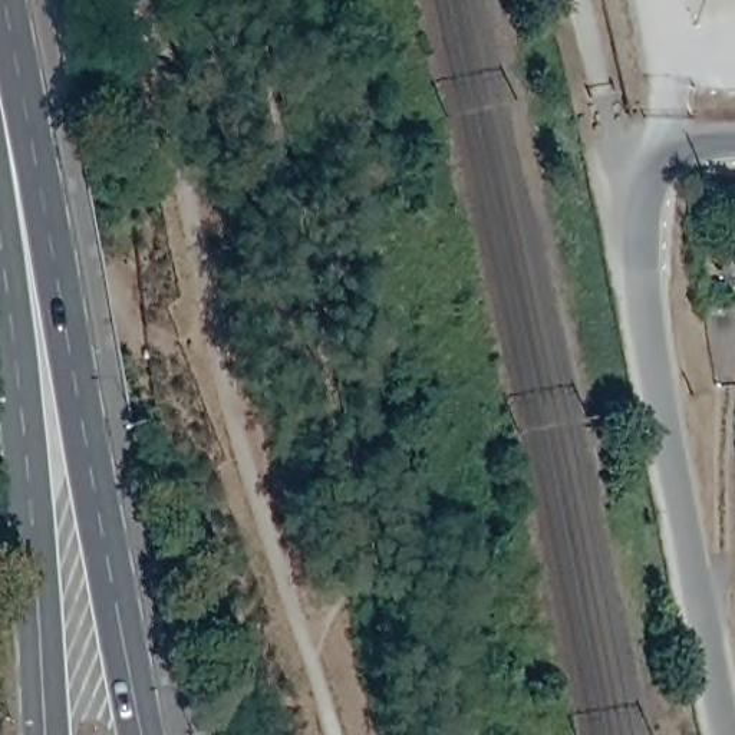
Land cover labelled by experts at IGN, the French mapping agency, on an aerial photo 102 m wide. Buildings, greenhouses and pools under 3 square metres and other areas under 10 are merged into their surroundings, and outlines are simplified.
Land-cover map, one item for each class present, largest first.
<instances>
[{"label":"deciduous trees","instance_id":"1","mask_svg":"<svg viewBox=\"0 0 735 735\"><path fill-rule=\"evenodd\" d=\"M152 26H161V32L169 40V52L184 49L189 66L187 83L178 86V92L167 100V115H155L146 121L141 118L135 83L141 75L155 72L164 60L155 43L141 40L144 32H149ZM66 40L60 43V66L72 75L100 72V89L80 100L78 106H72L66 138L75 146V158L80 161L83 181L92 192L98 210V233L109 261L132 258V250L141 247L144 238H152V227H167L164 198L175 189L178 172H184V178L198 189L210 210L218 212V218L233 212L244 227H250V233L238 235V253L244 264L233 270L224 267L215 293L224 304L238 301V319L230 342L221 347V362L227 373L238 379L241 396L258 405V413L267 425L264 448L270 462H324V479L313 482L304 494H284L287 520L278 528V543L290 557L293 583L299 586H310L316 591L345 589L350 612L347 635L353 643L356 672L368 695L365 718L379 735H580L574 680L566 657L557 652L560 623L554 614L548 623H540V617L528 614V603H537V577H548V563L543 557L537 523L543 511V497L537 485L534 457L525 445L508 448L502 457L485 459L488 482L508 485V497L494 502L491 517L474 508L471 514L442 517L439 511L428 508L431 497L422 494V488L411 479V474H416V462L425 459L428 442L434 439L436 408L428 402L422 390H416L405 402H393V390L411 385L413 379L396 376V368L402 362H416L419 347L396 350L390 339H385V327L379 324V301L370 299L368 281L373 270H379L382 258L376 253L359 256V224L365 218L382 215V204H390L393 198H405L411 212L425 210V198L434 187V164L448 161L451 149L445 146V135L457 129L454 115L445 109V89L436 63L439 43L428 26V11L422 0H63ZM267 86L276 89V103L284 121V141L267 138ZM319 347H324L327 353H345L356 359V368H350L345 376H333V385L339 388V408L333 413L324 405L327 393L319 382ZM376 434L393 439V445L370 457L365 465L350 462L347 445L353 439H370ZM517 34L540 32L546 40H557L560 17H568L571 0H500ZM525 83L534 95L551 100L554 106L566 103L571 95L566 83V69L563 63H548L540 55H528L525 60ZM580 172V167L571 164L568 152L557 149L554 164L543 167L548 201L554 195L571 192V178ZM678 192L675 215L680 221V247L689 281L686 299L695 316L703 319L712 307H735V189H721L718 184H706L695 175L672 184ZM6 310L0 307V514H11L14 477L3 436L9 399L3 350ZM603 462L600 477L606 479L603 485L612 505L617 497L635 491L649 477L652 459L663 439V425L655 419V411L640 399H637L614 413H606L603 434H597ZM138 457L144 459L138 468L144 471L146 485L141 497V520L152 531L158 557H164L167 563V577L161 580L158 594L164 600V620L175 632L169 680L175 683V695L187 692L189 706L201 709L198 729L210 735H304L301 709L281 706V698L293 692V683L278 666L276 643L264 637L270 614L256 574L247 580V589H238V583H230L224 577L227 566L244 571L250 566V557L235 517L227 514L221 477L207 454H178V442H184V434L161 428L158 413L152 411H146L144 419L132 422ZM46 566L40 551H34L29 540L20 537L17 548L0 543V649L6 646V629H23L32 623V614L40 612V574ZM646 669L652 675V683L672 703L695 701L706 686L703 649L698 643V635L683 626L680 617L672 600L669 577L657 566H649L643 574Z\"/></svg>","mask_w":735,"mask_h":735},{"label":"impervious surface","instance_id":"2","mask_svg":"<svg viewBox=\"0 0 735 735\"><path fill-rule=\"evenodd\" d=\"M66 40L63 0H0V307L6 310L3 350L9 399L3 436L14 477L11 514L17 517L20 537L29 540L34 551H40L46 566L40 574V612L32 614V623L23 629V718H32V726L23 735H210L198 729L201 709L189 706L187 692L175 695V683L169 680L175 632L164 620V600L158 594L161 580L167 577V563L164 557H158L152 531L141 520V497L146 485L144 471L138 468L144 459L138 457L132 422L123 419V408L132 405V390L123 373V356L121 345H126V333H121L112 324V307L103 278V264L109 261L98 233V210L92 192L83 181L80 161L75 158V146L66 138L72 106H78L80 100L72 95V75L60 66V43ZM568 17L577 34L586 75L591 80V92L580 95L574 112L580 118H591L597 152L612 184V230L614 238L623 244L629 313L637 345V362L646 382V393L640 399L655 411V419L663 425V439L652 459L660 462L683 591L689 603V614L680 617L683 626L698 635V643L703 649L706 686L695 701L701 735H735V701L724 657L718 612L726 603V589L735 586V571L726 566V554H703L683 439L675 431L678 405L672 390V373H680V365L672 333L669 276L672 253L680 247V221L675 215L678 192L672 184L695 175L706 184H718L721 189H735V121H686V112L649 106L646 121L614 118L620 112V95L617 89H609V46L591 0H571ZM712 382L735 388V316H718L715 324L703 330Z\"/></svg>","mask_w":735,"mask_h":735},{"label":"herbaceous vegetation","instance_id":"3","mask_svg":"<svg viewBox=\"0 0 735 735\"><path fill-rule=\"evenodd\" d=\"M609 46V89H617L620 95V112L614 118L646 121L649 106V72L632 0H591ZM528 55H540L548 63H563L566 69V83L571 95L566 103L554 106L551 100L534 95L528 112L537 123L534 149L543 167L554 164L557 149L568 152L571 164L580 167V172L571 178V192L554 195L548 201V210L540 218L548 244V264L557 290L560 322L568 342L574 382L580 390L589 393L586 413L597 434H603L606 413H614L637 399L629 382L617 299L612 287L603 227L586 164L591 152H597L591 118H580L574 112L580 95L591 92V80L586 75L577 34L568 17H560L557 40H546L540 32L517 34V57L525 60ZM141 40L155 43L164 60L155 72L141 75L135 83L141 118L146 121L155 115H167V100L178 92V86L187 83L189 66L184 49L169 52V40L161 32V26H152L149 32H144ZM100 89V72L72 75V95L80 100ZM267 138L284 141V121L276 103V89L267 86ZM686 121H735V98L724 92H701L692 95V109L686 112ZM445 146L451 149L448 161L454 192H465L457 129L445 135ZM167 227V241L181 293L158 313L155 324L141 322V342H152L161 353L178 356V362L189 365L204 408L210 413V425L215 431L212 448L207 454L221 477L227 514L235 517L250 557V566L244 571L227 566L224 577L230 583H238V589H247V580L256 574L270 614L264 637L276 643L278 666L293 683V692L281 698V706L301 709L304 735H324L316 692L307 678V666L296 643V635L290 629L276 586V574L270 568L256 525V511L244 488L233 436L224 422V416L233 411L244 416L247 442L256 457V468L264 474L261 485L270 497L273 523L278 528L287 520L284 494H304L313 482L324 479V462H270L264 448L267 425L258 413V405L241 396L238 379L227 373L221 362V347L230 342L238 319V301L224 304L215 293L224 267L233 270L244 264L238 253V235L250 233V227H244L233 212L218 218V212L210 210L198 189L184 178V172H178L175 189L164 198ZM689 281L680 247L672 253L669 276L672 333L680 365V373H672V390L678 405L675 431L683 439L703 554H726V566L735 571V388L712 382L703 330L715 324L718 316H735V307H712L703 319L695 316L686 299ZM319 382L327 393L324 405L333 413L339 408V388L333 385V376H345L350 368H356V359L345 353H327L324 347H319ZM393 445V439L376 434L370 439H353L347 445L350 462L365 465L370 457ZM600 514L629 620L640 703L649 721L657 726L655 735H701L695 701L672 703L652 683V675L646 669L643 574L649 566H657L669 577L649 477L635 491L617 497L612 505L603 485ZM17 517L11 514H0V543L17 548L20 537ZM537 603H528V614L540 617V623H548L554 614V591L548 577H537ZM299 606L313 649L319 652V663L327 680V692L342 735H379L365 718L368 695L356 672L353 643L347 635L350 612L345 589L316 591L310 586H299ZM724 657L735 701V586L726 589V603L718 612ZM23 629H6V646L0 649V735H23L32 726V718H23Z\"/></svg>","mask_w":735,"mask_h":735},{"label":"pervious surface","instance_id":"4","mask_svg":"<svg viewBox=\"0 0 735 735\"><path fill-rule=\"evenodd\" d=\"M428 11V26L439 43L436 63L445 89V109L454 115L457 129L465 192L471 198V210L477 218L488 293L505 350V373L511 382V393L517 399L520 431L525 445L534 457L537 485L543 497V511L537 523L543 557L548 563V577L554 591V614L560 623L557 652L566 657L574 680L580 735H655L657 726L649 721L640 703L629 620L600 514L603 485L606 479L600 477L603 462L597 434L586 413L589 393L580 390L574 382L568 342L560 322L557 290L548 264V244L540 218L548 210V201L543 167L534 149L537 123L528 112L534 95L525 83V60L517 57V34L500 0H422ZM649 72V106L686 112L692 109V95L701 92H724L735 98V0H632ZM586 164L603 227L612 287L617 299L629 382L637 399H640L646 393V382L637 362V345L629 313L623 244L614 238L612 230V184L597 152H591ZM103 278L112 307V324L121 333H126V345H121L123 356L132 353L138 362H146L149 356L141 350V322L135 304L132 258L109 261L103 264ZM224 422L233 436L244 488L256 511V525L270 568L276 574V586L290 629L296 635V643L307 666V678L316 692L324 735H342L327 692V680L319 663V652L313 649L299 606V586L293 583L290 557L278 543V528L273 523L270 497L261 485L264 474L256 468V457L247 442L244 416L233 411L224 416ZM669 577L672 600L680 617L689 614V603L683 591L660 462L652 459L649 477Z\"/></svg>","mask_w":735,"mask_h":735},{"label":"brushwood","instance_id":"5","mask_svg":"<svg viewBox=\"0 0 735 735\"><path fill-rule=\"evenodd\" d=\"M359 256L376 253L382 258L379 270H373L368 281L370 299L379 301V324L385 327V339H390L396 350L419 347L416 362H402L396 368V376L413 379L411 385L393 390V402H405L416 390H422L428 402L436 408L434 439L428 442L425 459L416 462V474H411V479L422 488V494L431 497L428 508L439 511L442 517L471 514L474 508L491 517L494 502L508 497V485L488 482L485 459L502 457L508 448L525 445L520 431L517 399L511 393V382L505 373V350L488 293L477 218L471 210V198L465 192H454L448 161L434 164V187L425 198V210L411 212L405 198H393L390 204H382V215L365 218L359 224ZM135 304L141 322L155 324L158 313L181 293L167 241V227H152V238H144L141 247L132 250V258ZM141 350L149 356L146 362H138L132 353L123 356V373L132 390V405L123 408V419L132 422L144 419L146 411H152L158 413L161 428L184 434V442H178V454H207L212 448L215 431L210 425V413L204 408L189 365L178 362V356L161 353L152 342H141Z\"/></svg>","mask_w":735,"mask_h":735}]
</instances>
